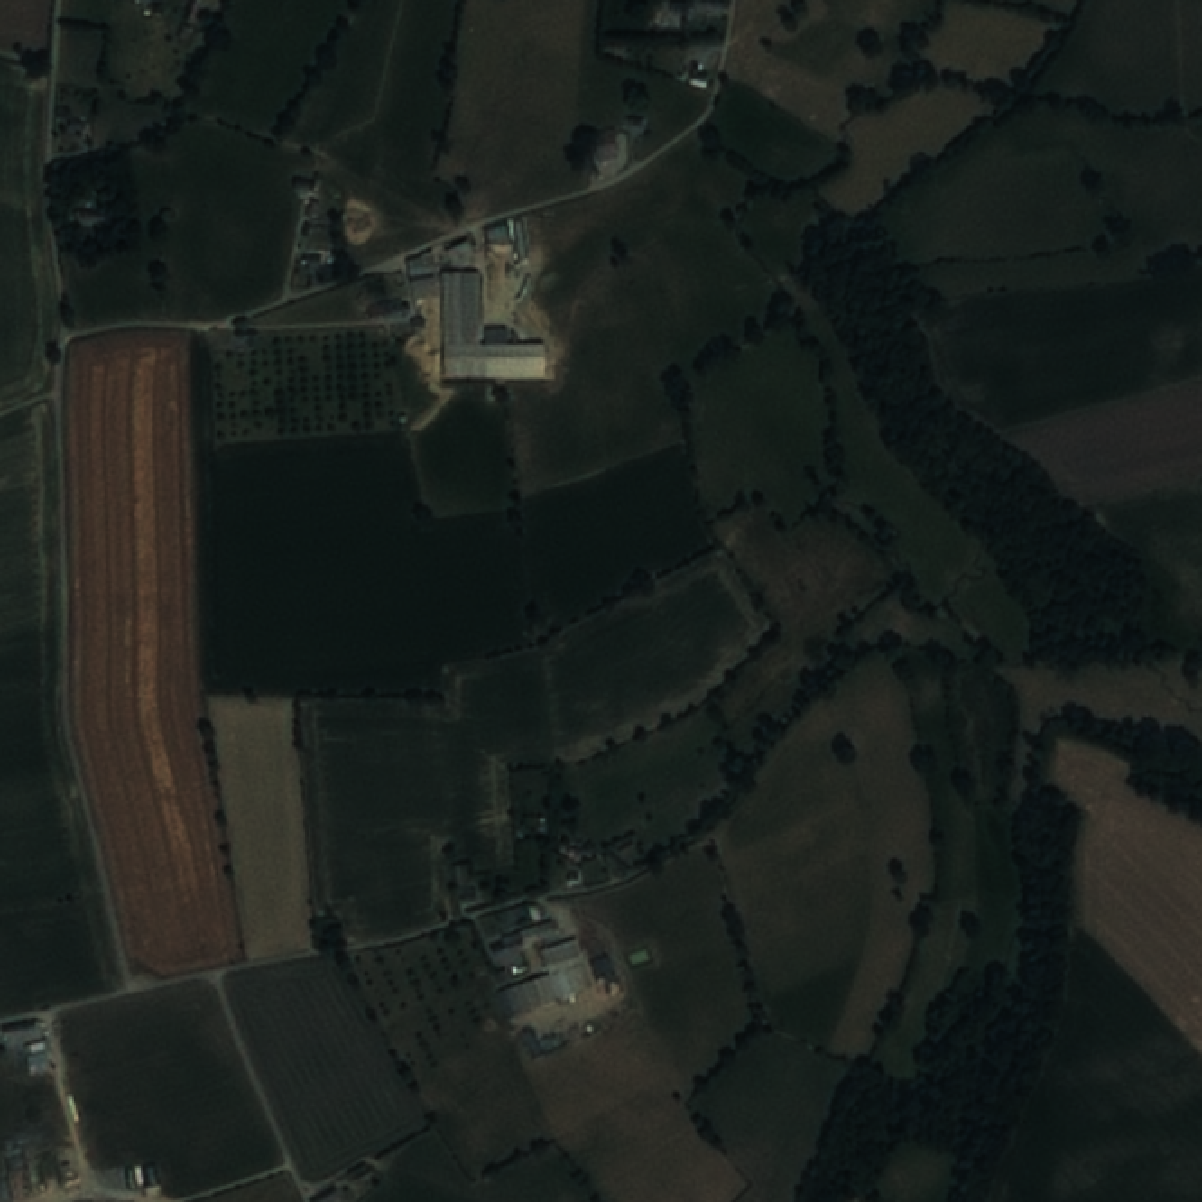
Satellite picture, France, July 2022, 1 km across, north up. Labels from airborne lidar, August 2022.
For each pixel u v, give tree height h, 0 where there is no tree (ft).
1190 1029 0
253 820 0
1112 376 0
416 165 0
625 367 0
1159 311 0
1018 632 0
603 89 0
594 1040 0
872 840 0
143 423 0
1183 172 0
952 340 0
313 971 0
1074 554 62
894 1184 0
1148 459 0
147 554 0
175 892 0
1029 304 0
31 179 0
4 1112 0
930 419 52
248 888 0
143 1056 0
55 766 0
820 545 0
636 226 0
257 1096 0
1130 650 39
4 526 0
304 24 0
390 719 0
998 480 40
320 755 0
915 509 0
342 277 52
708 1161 0
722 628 0
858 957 0
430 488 0
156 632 0
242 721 0
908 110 0
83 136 21
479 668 0
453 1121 0
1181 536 0
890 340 63
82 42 0
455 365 0
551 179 0
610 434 0
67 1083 0
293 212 0
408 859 0
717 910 0
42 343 0
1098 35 0
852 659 57
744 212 24
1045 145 0
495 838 0
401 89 0
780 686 0
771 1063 0
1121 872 0
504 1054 0
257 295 0
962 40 0
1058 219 0
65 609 0
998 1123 49
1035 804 64
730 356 79
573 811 61
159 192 0
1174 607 0
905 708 0
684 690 0
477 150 0
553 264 0
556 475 0
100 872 0
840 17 0
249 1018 0
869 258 89
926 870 0
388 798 0
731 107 0
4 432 0
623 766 0
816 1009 0
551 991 0
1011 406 0
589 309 0
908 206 40
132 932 0
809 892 0
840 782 0
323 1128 0
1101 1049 0
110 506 0
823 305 51
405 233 0
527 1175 0
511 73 0
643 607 0
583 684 0
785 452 0
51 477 0
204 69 52
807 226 0
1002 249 0
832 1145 52
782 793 0
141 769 0
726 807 47
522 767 25
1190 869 0
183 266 0
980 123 35
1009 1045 71
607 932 0
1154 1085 0
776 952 0
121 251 49
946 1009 78
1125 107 0
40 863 0
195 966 0
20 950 0
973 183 0
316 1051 0
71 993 0
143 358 0
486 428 0
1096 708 0
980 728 0
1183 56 0
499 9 0
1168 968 0
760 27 0
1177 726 0
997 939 0
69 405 0
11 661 0
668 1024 0
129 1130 0
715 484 0
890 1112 74
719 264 0
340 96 0
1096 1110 0
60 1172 0
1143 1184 0
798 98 0
